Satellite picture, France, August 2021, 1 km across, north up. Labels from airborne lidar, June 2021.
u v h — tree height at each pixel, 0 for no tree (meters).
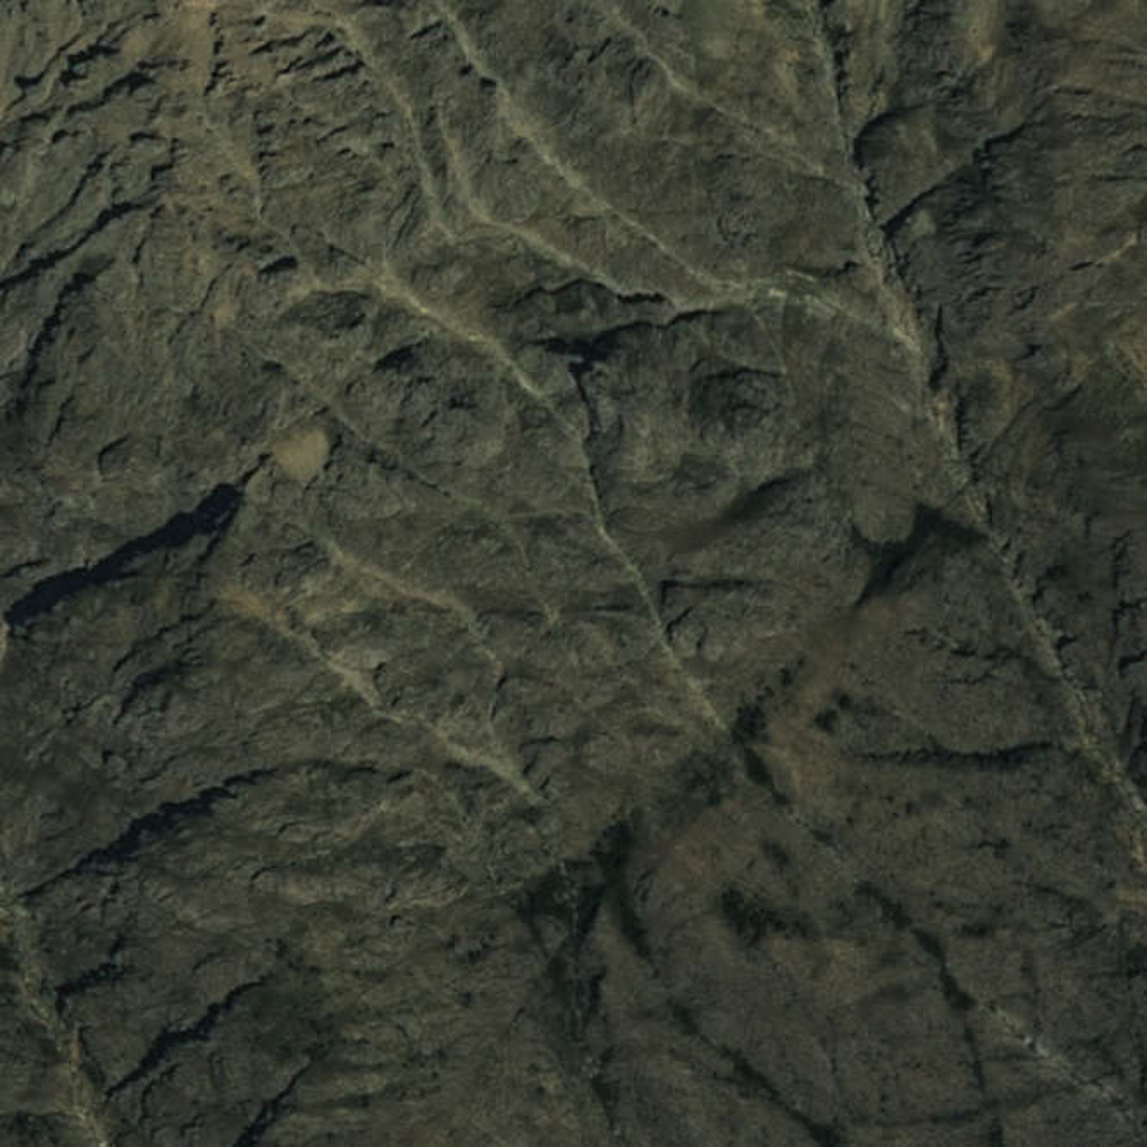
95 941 0
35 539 0
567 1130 0
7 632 0
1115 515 0
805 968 0
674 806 0
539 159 0
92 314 0
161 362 0
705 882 0
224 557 0
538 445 0
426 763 0
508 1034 0
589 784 0
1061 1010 0
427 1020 0
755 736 10
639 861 0
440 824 0
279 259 0
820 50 0
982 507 0
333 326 0
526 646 0
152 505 0
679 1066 0
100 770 0
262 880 0
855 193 0
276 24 0
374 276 0
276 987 0
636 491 0
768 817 0
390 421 0
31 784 0
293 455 0
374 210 0
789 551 0
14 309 0
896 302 0
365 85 0
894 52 0
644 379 0
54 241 0
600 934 0
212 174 0
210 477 0
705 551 0
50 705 0
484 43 0
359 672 0
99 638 0
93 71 0
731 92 0
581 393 0
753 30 0
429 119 0
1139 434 0
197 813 0
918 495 0
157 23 0
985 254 0
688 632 0
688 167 0
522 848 0
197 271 0
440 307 0
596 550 0
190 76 0
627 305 0
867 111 0
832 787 0
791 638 0
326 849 0
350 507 0
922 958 0
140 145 0
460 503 0
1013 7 0
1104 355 0
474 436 0
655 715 0
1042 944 0
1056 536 0
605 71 0
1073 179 0
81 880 0
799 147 0
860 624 0
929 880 0
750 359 0
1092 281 0
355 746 0
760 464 0
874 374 0
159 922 0
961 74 0
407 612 0
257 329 0
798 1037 0
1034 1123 0
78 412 0
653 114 0
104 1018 0
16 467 0
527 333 0
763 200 0
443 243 0
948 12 0
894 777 0
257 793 0
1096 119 0
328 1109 0
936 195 0
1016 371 0
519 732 0
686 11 0
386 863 0
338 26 0
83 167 0
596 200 0
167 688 0
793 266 0
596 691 0
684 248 0
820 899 0
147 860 0
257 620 0
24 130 0
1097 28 0
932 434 0
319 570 0
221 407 0
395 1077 0
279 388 0
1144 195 0
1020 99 0
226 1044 0
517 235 0
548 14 0
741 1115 0
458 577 0
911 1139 0
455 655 0
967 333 0
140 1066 0
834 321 0
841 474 0
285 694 0
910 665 0
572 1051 0
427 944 0
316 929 0
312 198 0
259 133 0
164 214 0
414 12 0
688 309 0
